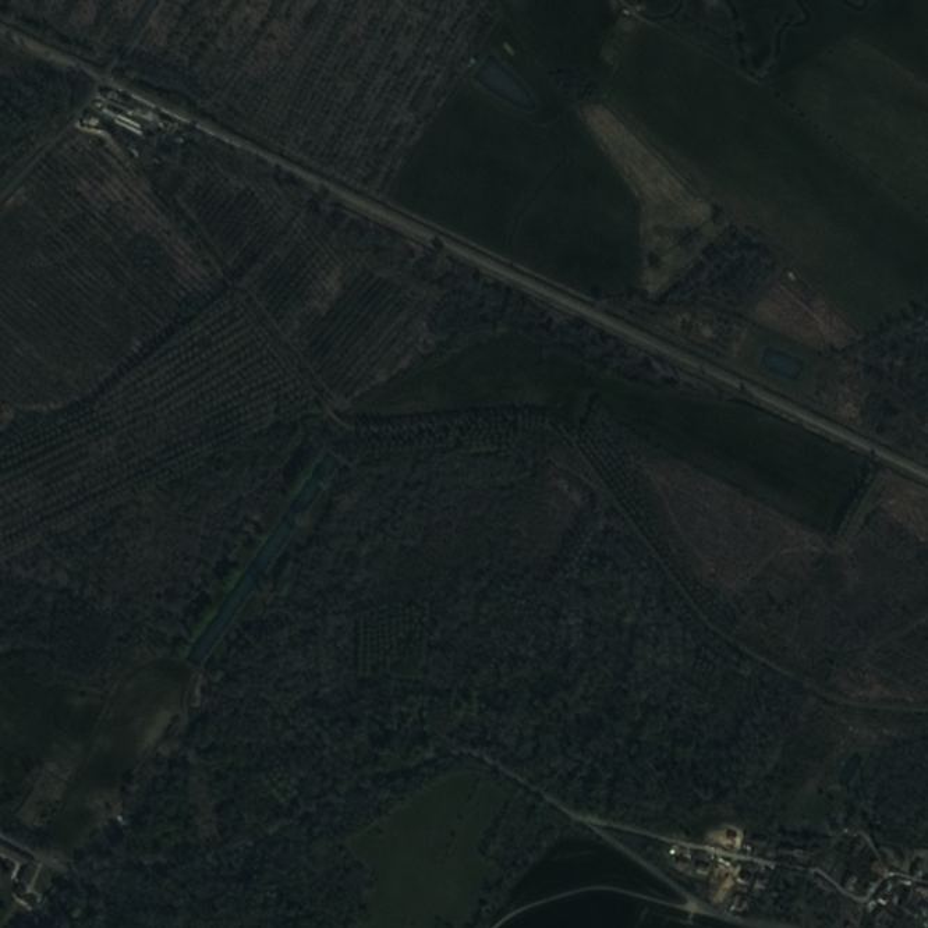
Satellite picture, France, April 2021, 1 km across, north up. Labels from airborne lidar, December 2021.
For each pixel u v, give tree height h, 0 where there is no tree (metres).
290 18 9
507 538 9
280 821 16
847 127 0
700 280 16
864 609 6
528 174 0
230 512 7
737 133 0
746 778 37
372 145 13
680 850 0
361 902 10
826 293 0
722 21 0
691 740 19
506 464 10
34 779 19
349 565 8
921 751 19
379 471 12
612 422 13
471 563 7
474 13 17
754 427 0
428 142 0
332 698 12
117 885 13
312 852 15
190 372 21
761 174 0
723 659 11
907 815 20
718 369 0
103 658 22
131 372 17
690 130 0
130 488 18
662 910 0
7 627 20
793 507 0
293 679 23
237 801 22
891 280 0
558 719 18
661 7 0
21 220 5
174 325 14
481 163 0
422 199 0
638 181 0
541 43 0
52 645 21
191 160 23
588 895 0
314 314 7
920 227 0
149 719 0
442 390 0
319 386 10
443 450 7
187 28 17
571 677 39
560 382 0
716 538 0
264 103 20
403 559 7
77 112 0
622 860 0
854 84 0
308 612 22
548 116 0
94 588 19
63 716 0
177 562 9
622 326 0
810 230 0
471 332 19
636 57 0
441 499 8
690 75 0
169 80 22
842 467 0
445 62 7
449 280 13
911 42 0
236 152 17
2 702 0
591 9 0
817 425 0
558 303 0
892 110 0
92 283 6
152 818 24
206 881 30
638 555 16
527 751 23
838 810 0
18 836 20
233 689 22
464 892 0
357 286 7
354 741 35
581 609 19
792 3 0
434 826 0
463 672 14
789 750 8
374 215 0
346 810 14
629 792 24
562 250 0
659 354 0
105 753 0
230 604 0
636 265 0
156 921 21
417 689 19
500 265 0
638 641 36
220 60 15
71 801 0
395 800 16
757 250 21
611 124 0
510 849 8
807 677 8
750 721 36
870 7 0
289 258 6
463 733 11
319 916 14
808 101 0
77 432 16
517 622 16
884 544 14
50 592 26
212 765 17
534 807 8
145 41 22
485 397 0
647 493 9
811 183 0
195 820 30
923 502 6
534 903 0
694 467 6
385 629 21
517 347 0
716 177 0
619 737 33
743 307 21
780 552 0
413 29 19
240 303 21
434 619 14
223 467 16
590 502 6
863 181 0
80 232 7
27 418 9
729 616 5
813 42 0
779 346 0
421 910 0
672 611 33
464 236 0
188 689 0
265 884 30
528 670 33
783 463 0
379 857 0
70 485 6
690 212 0
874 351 7
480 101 0
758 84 0
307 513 18
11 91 17
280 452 11
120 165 17
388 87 17
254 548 20
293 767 29
